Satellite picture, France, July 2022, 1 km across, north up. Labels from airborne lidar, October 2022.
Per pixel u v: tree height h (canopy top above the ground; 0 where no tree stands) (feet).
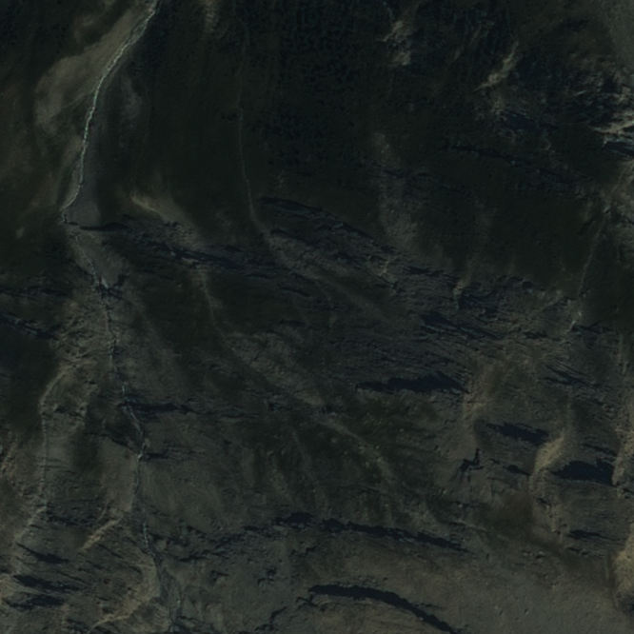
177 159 0
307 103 0
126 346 0
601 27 0
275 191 0
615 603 0
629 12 0
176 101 0
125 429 0
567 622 0
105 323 0
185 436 0
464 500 0
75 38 0
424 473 0
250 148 0
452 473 0
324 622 0
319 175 0
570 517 0
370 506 0
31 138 0
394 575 0
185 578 0
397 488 0
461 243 0
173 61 0
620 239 0
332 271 0
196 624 0
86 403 0
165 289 0
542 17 0
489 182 0
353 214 0
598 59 0
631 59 0
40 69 0
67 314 0
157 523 0
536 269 0
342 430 0
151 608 0
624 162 0
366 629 0
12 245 0
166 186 0
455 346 0
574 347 0
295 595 0
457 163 0
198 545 0
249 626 0
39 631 0
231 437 0
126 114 0
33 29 0
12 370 0
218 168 0
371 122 0
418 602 0
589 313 0
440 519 0
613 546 0
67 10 0
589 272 0
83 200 0
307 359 0
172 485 0
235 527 0
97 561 0
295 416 0
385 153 0
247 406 0
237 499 0
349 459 0
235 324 0
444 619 0
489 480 0
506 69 0
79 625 0
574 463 0
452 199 0
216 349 0
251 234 0
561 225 0
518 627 0
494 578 0
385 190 0
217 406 0
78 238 0
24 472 0
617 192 0
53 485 0
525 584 0
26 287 0
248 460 0
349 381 0
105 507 31
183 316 0
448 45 22
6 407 0
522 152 0
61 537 0
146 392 0
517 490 0
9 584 0
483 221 0
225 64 0
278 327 0
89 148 0
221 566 0
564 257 0
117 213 0
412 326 0
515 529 0
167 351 0
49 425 0
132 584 0
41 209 0
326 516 0
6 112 0
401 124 0
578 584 0
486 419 0
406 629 0
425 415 0
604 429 0
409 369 0
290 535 0
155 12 0
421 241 0
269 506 0
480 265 0
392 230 0
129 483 0
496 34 53
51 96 0
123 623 0
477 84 20
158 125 0
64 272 0
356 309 0
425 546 0
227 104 0
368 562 0
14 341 0
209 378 0
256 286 0
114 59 0
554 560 0
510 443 0
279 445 0
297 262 0
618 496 0
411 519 0
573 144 0
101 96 0
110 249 0
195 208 0
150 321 0
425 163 0
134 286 0
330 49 44
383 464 0
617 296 0
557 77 37
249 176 0
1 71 0
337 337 0
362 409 0
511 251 0
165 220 0
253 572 0
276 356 0
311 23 37
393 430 0
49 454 0
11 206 0
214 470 0
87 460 0
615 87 31
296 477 0
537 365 0
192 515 0
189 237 0
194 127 0
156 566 0
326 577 0
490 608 0
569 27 20
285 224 0
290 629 0
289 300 0
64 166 0
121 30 0
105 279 0
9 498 0
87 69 0
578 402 0
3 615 0
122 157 0
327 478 0
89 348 0
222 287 0
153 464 0
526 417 0
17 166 0
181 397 0
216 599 0
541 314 0
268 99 0
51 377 0
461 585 0
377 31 18
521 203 0
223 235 0
